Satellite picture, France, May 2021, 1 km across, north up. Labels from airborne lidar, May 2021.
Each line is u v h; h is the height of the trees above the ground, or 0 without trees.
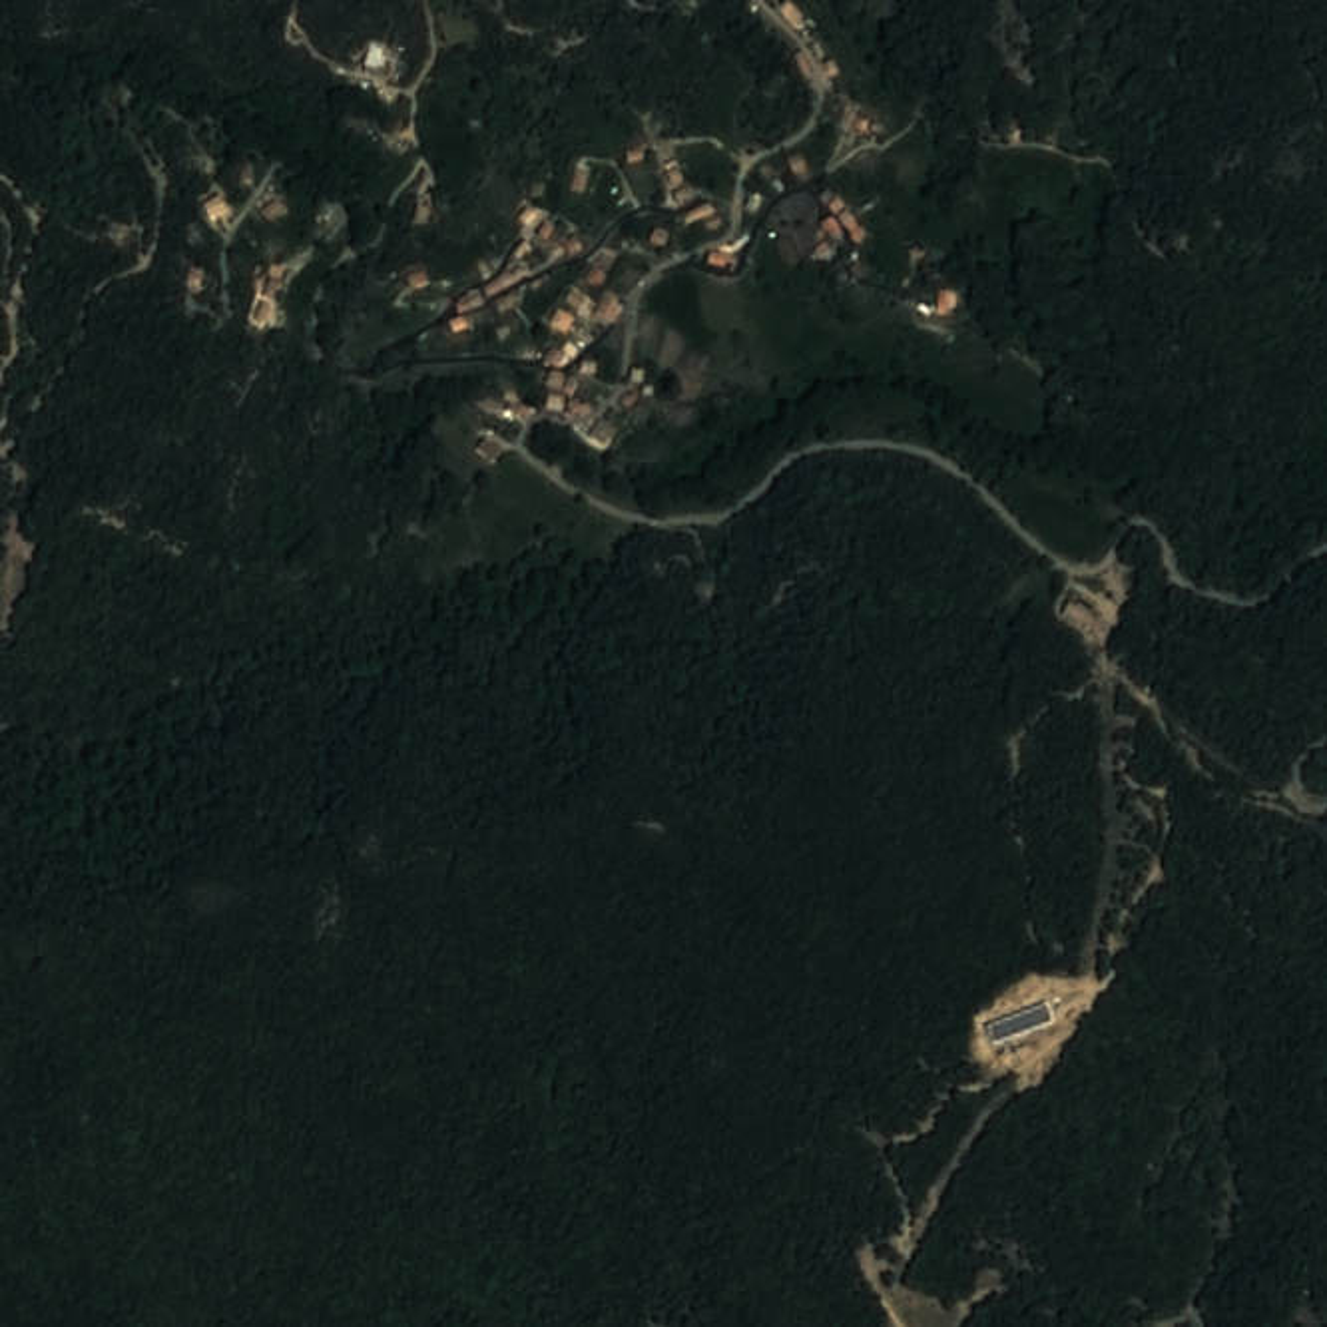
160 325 10
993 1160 15
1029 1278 13
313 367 19
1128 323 18
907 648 10
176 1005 12
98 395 8
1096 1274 12
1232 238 7
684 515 0
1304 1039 12
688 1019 9
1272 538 15
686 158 0
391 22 9
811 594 12
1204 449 17
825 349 0
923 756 10
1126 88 14
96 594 10
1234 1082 14
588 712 13
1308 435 16
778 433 23
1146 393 9
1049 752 11
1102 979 10
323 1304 11
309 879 6
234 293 7
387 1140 14
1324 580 15
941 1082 16
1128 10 11
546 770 15
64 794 22
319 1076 8
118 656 12
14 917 15
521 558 10
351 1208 12
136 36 6
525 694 13
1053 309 14
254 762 11
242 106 14
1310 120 10
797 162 0
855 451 5
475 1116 15
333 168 12
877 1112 13
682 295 0
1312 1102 13
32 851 17
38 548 9
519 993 12
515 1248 16
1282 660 15
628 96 7
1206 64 9
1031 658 8
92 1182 6
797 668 10
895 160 0
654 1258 13
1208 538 13
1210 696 8
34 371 12
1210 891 13
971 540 9
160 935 11
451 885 8
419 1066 15
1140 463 25
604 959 11
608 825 7
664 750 10
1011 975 12
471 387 18
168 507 11
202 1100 16
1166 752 13
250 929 11
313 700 9
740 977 13
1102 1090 6
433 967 14
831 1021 10
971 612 8
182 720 11
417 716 14
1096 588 0
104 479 14
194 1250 16
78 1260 11
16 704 17
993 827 11
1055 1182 11
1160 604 12
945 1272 13
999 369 8
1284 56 12
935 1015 13
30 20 9
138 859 15
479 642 12
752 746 15
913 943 11
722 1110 9
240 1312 16
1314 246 12
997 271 21
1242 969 10
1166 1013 14
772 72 8
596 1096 15
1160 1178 6
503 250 8
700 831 7
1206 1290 9
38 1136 9
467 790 14
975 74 14
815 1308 12
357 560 9
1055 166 0
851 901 11
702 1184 13
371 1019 13
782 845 7
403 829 10
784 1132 9
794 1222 15
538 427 15
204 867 10
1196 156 7
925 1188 17
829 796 11
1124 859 7
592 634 13
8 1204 11
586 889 11
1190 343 11
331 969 6
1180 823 11
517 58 11
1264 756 11
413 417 7
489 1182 12
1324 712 11
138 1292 10
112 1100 11
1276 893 11
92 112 18
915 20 12
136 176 10
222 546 8
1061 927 10
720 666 17
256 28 10
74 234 8
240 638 20
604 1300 12
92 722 20
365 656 13
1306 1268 11
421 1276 11
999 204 0
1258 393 12
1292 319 18
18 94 13
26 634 11
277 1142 13
